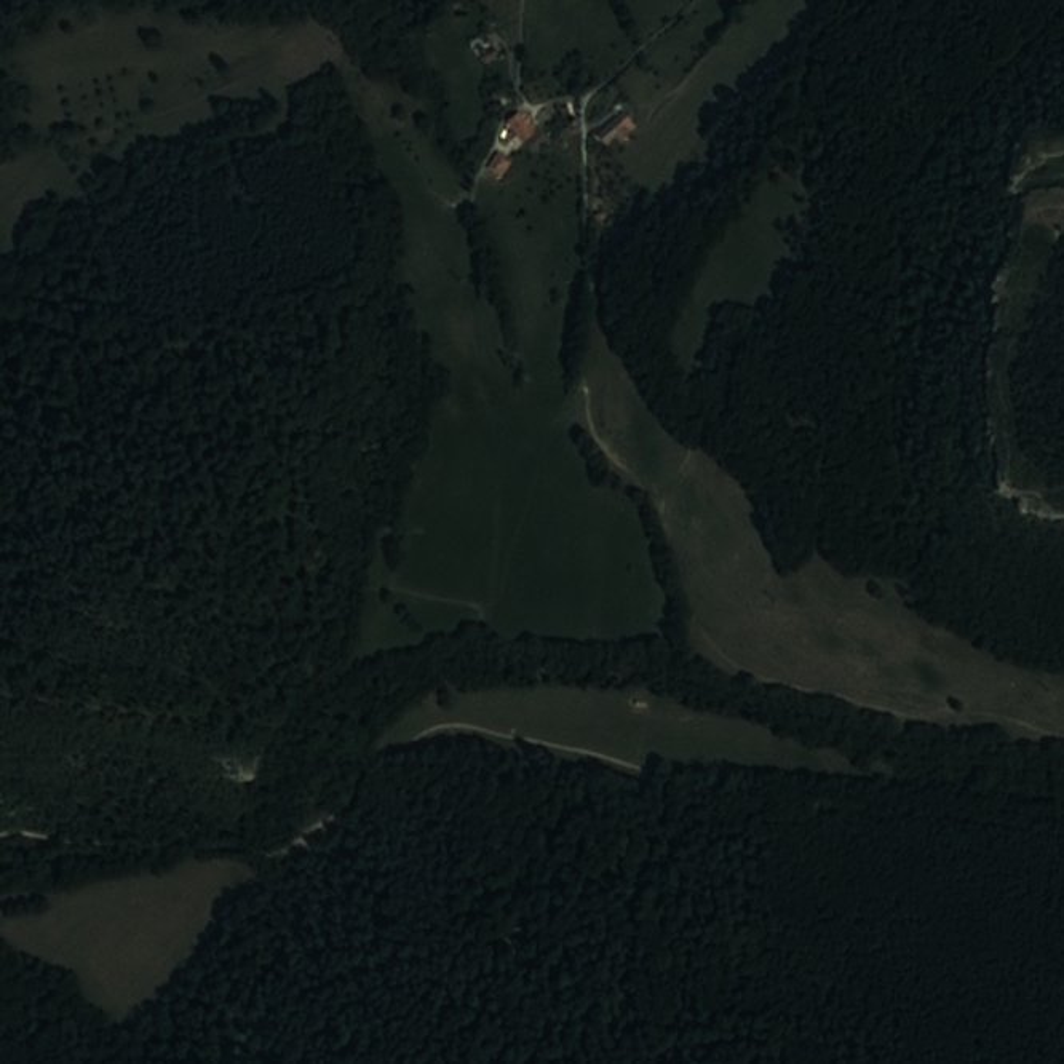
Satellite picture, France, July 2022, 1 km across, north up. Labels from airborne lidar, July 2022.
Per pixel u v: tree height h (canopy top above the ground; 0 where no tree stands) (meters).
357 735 19
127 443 18
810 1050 19
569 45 0
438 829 25
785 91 35
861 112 24
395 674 25
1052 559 18
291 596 27
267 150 18
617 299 25
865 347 25
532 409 0
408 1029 25
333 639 30
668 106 0
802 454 14
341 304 29
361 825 22
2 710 22
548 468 0
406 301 25
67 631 16
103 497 9
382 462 29
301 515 26
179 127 0
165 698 29
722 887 26
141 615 19
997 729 15
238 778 15
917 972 23
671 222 35
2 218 0
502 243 0
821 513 16
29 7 29
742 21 13
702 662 15
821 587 0
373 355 34
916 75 28
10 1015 25
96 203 18
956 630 17
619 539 0
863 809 16
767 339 28
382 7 41
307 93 13
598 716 0
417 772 20
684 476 0
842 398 26
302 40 0
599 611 0
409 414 29
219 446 17
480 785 33
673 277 26
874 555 14
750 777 24
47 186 0
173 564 29
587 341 15
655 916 25
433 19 8
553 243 0
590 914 27
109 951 0
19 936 0
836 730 29
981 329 17
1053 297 10
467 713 0
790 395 19
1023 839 19
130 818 23
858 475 11
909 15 27
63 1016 18
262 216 16
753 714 23
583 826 32
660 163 0
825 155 11
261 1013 30
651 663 28
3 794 19
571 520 0
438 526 0
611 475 22
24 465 28
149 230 27
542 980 21
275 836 19
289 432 8
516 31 0
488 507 0
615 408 0
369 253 29
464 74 0
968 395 14
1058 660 24
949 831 20
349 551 28
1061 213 0
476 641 18
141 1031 23
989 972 22
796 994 20
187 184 25
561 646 17
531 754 31
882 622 0
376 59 26
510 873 31
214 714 18
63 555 26
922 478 20
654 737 0
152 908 0
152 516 25
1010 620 22
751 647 0
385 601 12
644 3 0
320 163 22
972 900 26
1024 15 26
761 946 14
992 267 14
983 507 11
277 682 28
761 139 31
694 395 21
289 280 18
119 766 23
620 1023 23
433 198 0
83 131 8
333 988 27
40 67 0
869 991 22
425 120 20
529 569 0
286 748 19
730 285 0
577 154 0
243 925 27
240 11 18
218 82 0
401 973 20
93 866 28
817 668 0
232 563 26
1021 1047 20
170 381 33
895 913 20
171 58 0
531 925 24
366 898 30
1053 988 25
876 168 25
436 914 22
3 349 28
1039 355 18
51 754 16
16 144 20
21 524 8
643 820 28
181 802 17
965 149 16
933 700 0
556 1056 27
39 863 32
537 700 0
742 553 0
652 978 20
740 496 0
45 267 32
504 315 15
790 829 20
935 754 28
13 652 30
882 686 0
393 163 0
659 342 23
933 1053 23
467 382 0
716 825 19
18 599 6
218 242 17
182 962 0
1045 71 23
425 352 20
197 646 15
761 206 0
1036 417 19
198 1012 32
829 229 24
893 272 20
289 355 29
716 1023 22
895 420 11
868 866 19
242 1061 32
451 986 27
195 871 0
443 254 0
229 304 20
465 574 0
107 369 7
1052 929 26
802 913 18
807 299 25
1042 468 8
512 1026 24
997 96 20
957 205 23
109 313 29
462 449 0
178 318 28
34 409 30
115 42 0
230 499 33
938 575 26
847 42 27
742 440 29
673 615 19
